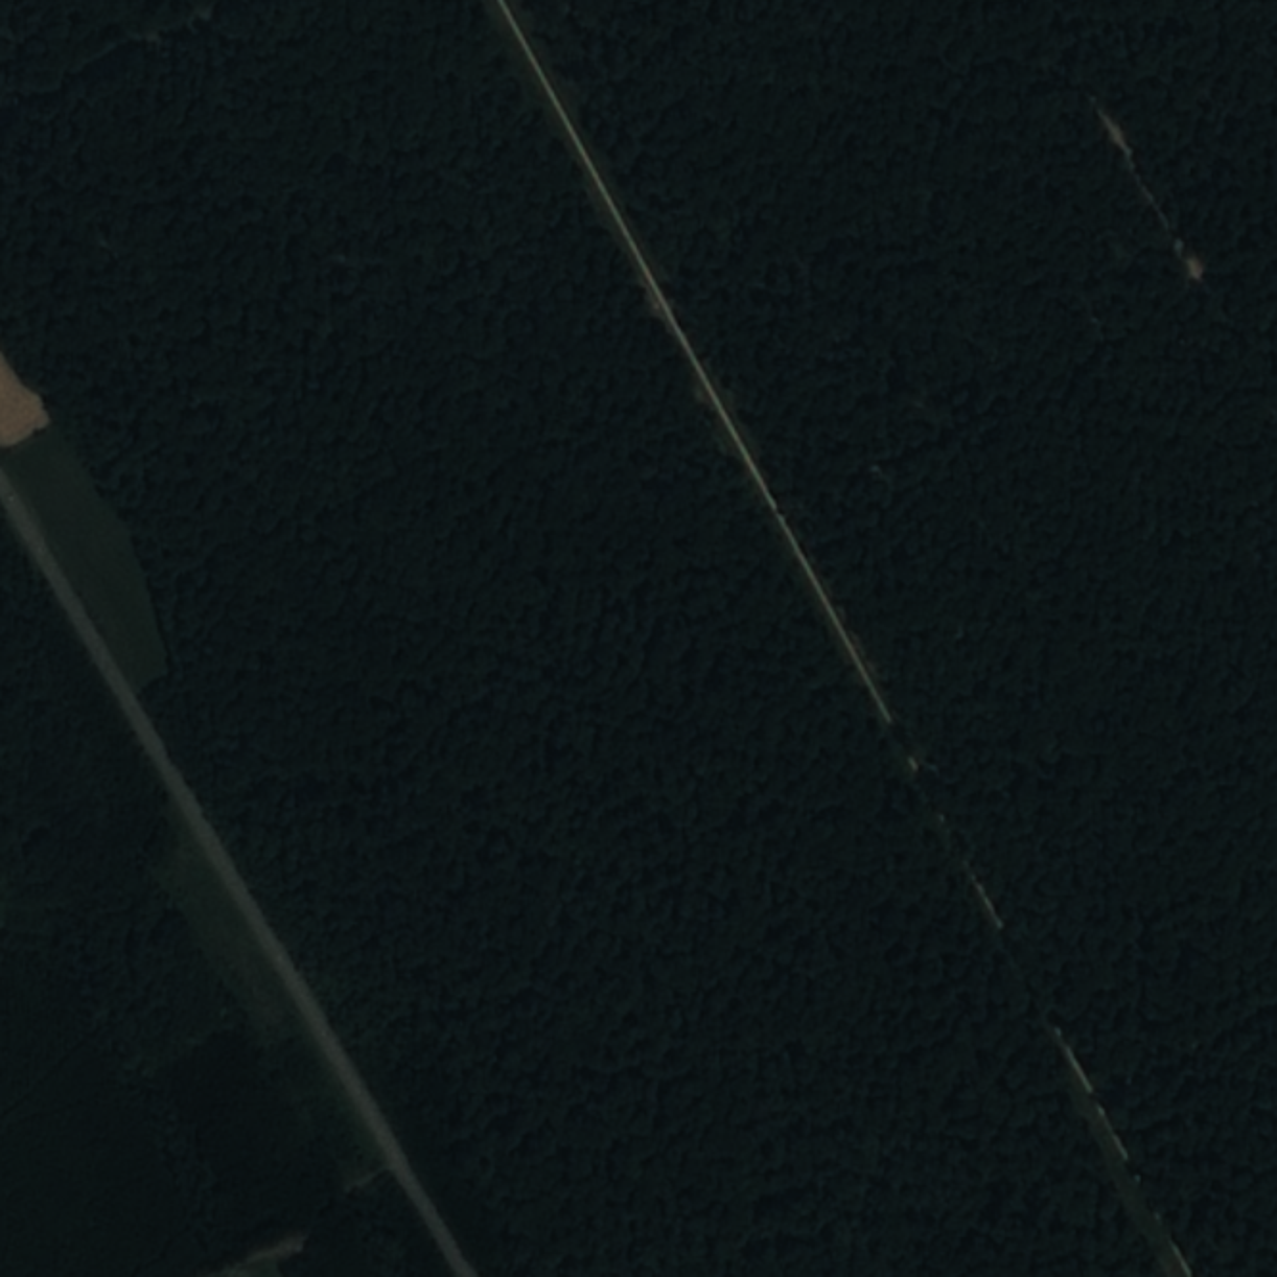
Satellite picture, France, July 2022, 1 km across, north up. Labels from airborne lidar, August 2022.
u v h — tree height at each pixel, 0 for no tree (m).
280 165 24
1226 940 28
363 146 25
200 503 27
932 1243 28
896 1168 23
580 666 23
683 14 17
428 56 23
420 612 23
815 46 24
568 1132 30
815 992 33
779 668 18
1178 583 24
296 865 25
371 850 28
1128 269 7
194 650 22
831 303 23
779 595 31
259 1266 0
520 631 26
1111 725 26
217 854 0
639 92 24
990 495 28
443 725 25
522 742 27
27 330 24
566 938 30
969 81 22
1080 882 26
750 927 29
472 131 24
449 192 25
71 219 28
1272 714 28
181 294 27
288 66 30
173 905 6
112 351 23
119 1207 6
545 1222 28
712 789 32
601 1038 28
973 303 25
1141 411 27
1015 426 26
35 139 24
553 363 29
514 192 21
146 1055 23
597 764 28
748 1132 29
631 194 26
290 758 31
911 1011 30
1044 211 28
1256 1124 30
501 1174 28
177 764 11
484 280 26
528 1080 31
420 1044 10
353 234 25
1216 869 28
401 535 27
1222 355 26
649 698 26
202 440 24
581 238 27
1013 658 31
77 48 25
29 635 23
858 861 31
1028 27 25
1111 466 26
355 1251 7
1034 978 27
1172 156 28
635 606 22
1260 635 27
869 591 30
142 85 29
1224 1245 29
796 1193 25
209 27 23
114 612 0
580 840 29
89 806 25
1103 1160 30
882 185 27
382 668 28
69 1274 8
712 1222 27
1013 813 18
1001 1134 32
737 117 22
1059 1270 30
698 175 26
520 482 26
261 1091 6
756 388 22
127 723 9
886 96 24
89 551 0
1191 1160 27
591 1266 27
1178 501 19
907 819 27
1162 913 30
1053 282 21
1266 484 25
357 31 26
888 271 25
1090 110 23
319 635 30
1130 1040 31
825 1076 30
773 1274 27
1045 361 26
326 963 16
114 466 23
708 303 26
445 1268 13
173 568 25
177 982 26
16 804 21
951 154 27
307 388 28
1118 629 21
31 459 0
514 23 0
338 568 23
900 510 21
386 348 25
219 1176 8
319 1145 13
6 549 18
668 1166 27
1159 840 26
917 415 24
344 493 27
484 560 23
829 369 23
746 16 21
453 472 28
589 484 26
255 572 29
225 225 24
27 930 6
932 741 25
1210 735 27
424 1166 7
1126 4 24
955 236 25
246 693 30
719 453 21
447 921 28
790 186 23
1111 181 27
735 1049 27
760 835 28
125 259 25
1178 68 24
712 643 26
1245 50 29
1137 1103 31
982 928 26
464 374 28
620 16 27
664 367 24
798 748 29
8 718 26
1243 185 27
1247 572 27
